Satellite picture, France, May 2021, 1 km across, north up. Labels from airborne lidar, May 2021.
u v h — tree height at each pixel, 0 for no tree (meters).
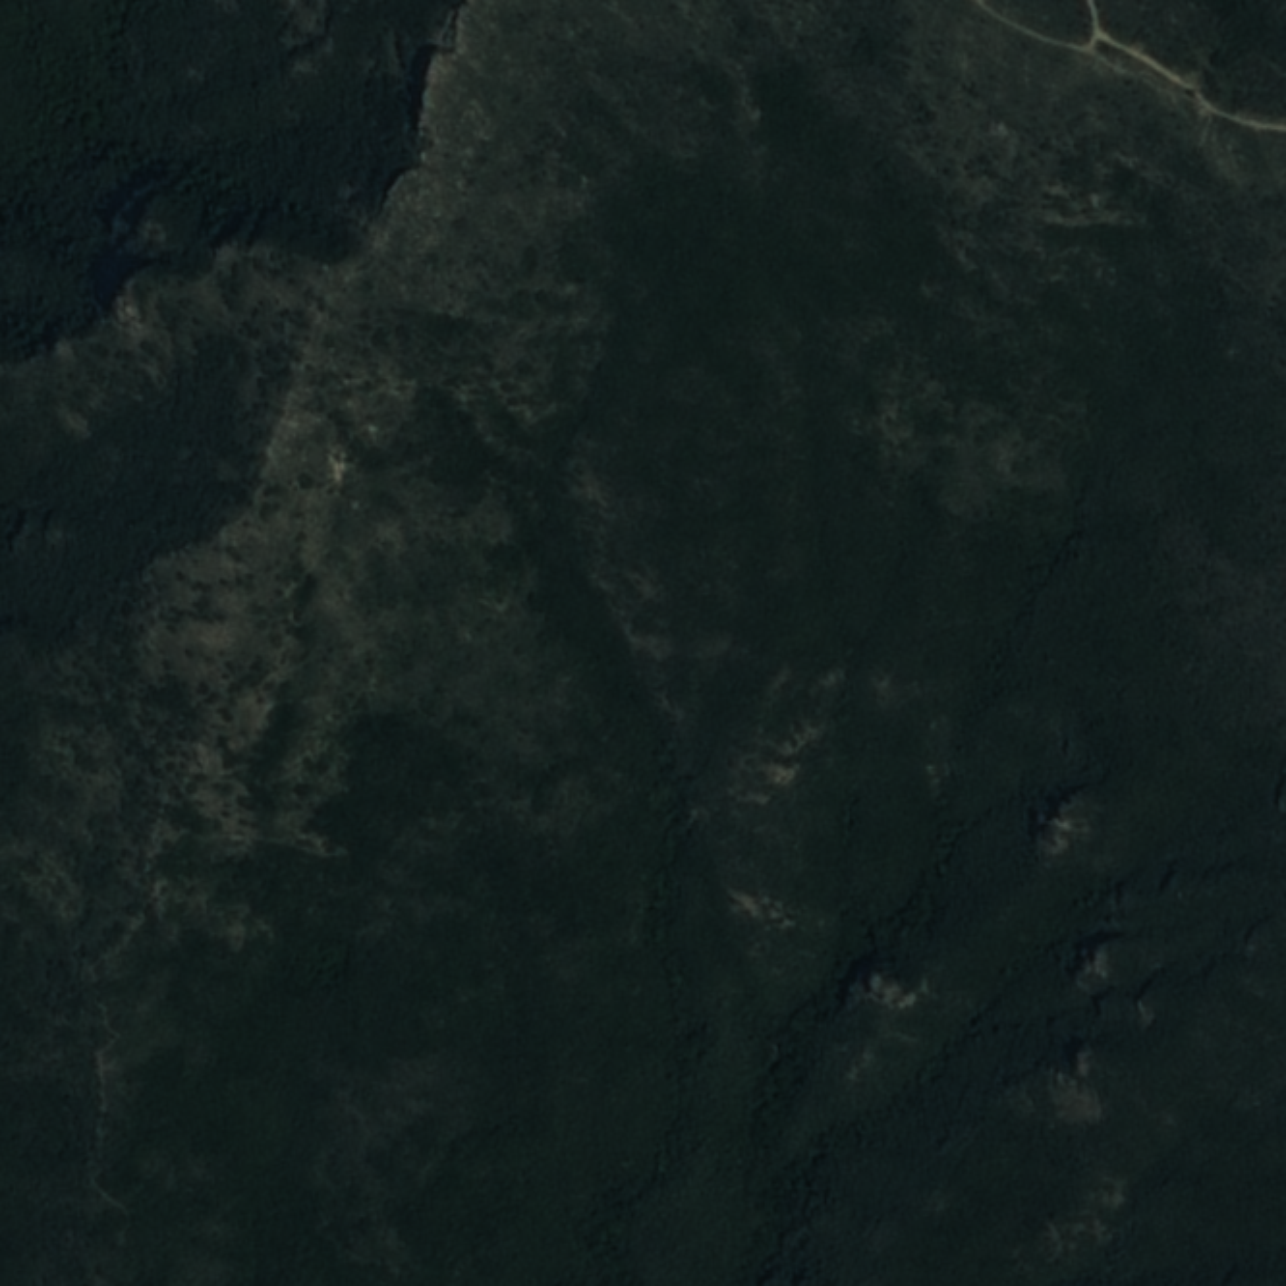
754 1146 13
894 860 5
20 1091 5
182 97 6
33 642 5
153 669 0
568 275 6
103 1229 6
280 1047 6
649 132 0
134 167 13
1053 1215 8
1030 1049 6
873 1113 9
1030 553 6
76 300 6
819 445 7
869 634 6
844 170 6
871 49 6
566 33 0
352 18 7
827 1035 8
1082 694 8
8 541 6
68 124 14
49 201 6
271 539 0
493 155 0
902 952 8
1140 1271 6
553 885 5
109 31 8
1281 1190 6
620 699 7
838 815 6
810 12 0
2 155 9
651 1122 7
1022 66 0
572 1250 9
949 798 7
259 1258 7
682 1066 15
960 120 0
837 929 6
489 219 0
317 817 6
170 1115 6
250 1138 5
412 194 0
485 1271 9
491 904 6
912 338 5
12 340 9
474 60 0
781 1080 29
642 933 9
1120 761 6
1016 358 6
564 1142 6
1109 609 6
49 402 5
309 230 9
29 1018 6
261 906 6
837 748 6
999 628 5
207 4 6
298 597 6
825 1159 12
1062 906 7
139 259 6
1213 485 6
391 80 6
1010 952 6
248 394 0
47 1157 7
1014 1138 6
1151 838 6
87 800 0
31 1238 7
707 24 0
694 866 6
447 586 7
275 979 6
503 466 6
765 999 6
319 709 0
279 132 9
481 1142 7
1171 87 0
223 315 0
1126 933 6
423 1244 7
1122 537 7
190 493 5
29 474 6
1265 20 6
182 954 6
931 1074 11
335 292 0
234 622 0
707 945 6
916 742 6
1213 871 6
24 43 9
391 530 0
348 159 7
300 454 0
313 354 0
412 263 0
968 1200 6
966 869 6
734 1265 9
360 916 6
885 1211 6
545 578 6
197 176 14
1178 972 6
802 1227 13
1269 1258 6
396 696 0
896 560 6
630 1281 19
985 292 6
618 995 7
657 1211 7
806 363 6
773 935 6
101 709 6
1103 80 0
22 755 6
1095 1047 8
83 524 6
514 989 6
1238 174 0
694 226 6
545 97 0
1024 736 5
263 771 6
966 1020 6
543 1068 5
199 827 6
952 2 0
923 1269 7
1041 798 7
